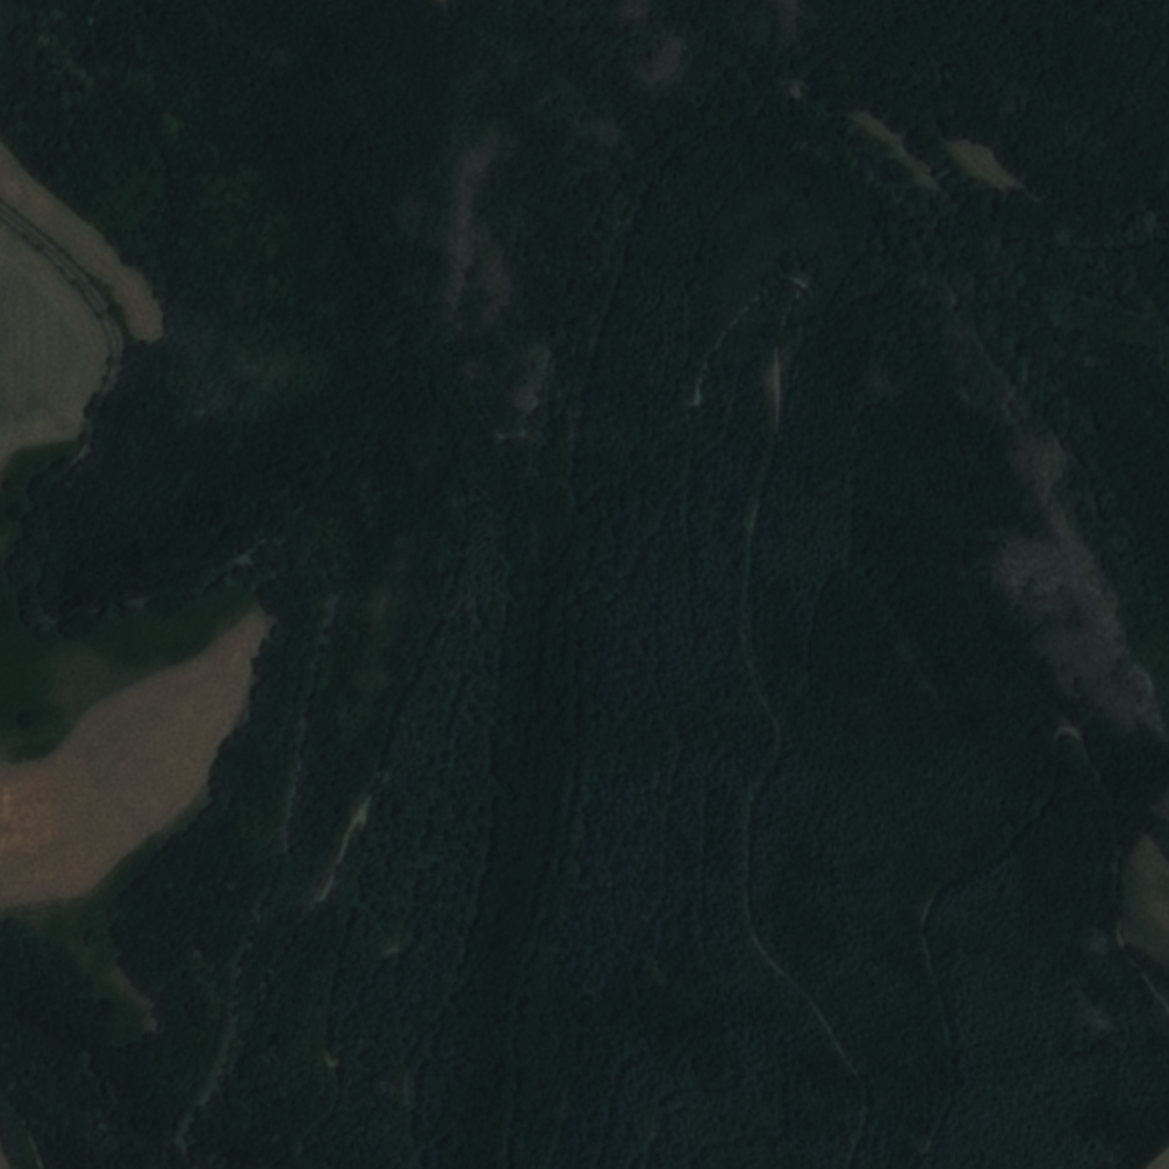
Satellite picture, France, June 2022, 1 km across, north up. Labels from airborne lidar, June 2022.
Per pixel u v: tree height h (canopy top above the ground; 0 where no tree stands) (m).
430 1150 24
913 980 9
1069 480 8
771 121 26
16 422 0
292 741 17
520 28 14
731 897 13
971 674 15
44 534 16
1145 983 9
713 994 11
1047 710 14
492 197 9
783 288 6
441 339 17
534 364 6
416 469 13
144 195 7
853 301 11
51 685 0
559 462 21
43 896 0
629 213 17
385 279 10
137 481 15
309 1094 21
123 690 0
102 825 0
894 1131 17
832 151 24
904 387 6
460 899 22
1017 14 18
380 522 11
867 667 18
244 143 11
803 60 27
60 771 0
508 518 16
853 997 10
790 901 10
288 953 14
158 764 0
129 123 12
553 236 18
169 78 12
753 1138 11
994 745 14
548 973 26
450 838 25
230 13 8
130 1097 21
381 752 7
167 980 12
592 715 17
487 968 20
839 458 11
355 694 9
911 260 15
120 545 21
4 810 0
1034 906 15
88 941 9
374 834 19
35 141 12
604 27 19
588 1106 9
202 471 7
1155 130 27
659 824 19
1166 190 30
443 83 7
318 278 12
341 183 11
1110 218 24
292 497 10
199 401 6
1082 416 17
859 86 33
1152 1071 15
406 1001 26
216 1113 23
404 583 7
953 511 13
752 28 7
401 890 24
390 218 8
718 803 10
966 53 17
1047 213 24
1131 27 18
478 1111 20
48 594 21
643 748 14
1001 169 0
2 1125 11
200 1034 11
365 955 20
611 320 21
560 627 16
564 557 19
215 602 0
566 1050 15
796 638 7
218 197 12
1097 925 8
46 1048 17
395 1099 14
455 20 8
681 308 19
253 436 13
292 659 17
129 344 7
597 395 23
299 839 17
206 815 12
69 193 11
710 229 8
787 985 15
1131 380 15
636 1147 20
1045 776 17
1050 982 12
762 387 8
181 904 18
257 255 10
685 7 21
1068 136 13
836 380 11
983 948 8
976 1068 14
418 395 18
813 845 16
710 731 11
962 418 9
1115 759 12
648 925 20
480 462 24
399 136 8
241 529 15
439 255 8
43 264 0
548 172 16
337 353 12
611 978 11
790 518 15
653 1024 17
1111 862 13
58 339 0
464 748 22
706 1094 14
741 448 19
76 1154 12
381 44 6
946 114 20
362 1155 25
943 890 9
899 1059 16
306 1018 21
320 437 10
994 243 31
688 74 12
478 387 11
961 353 8
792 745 15
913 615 13
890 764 7
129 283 0
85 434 9
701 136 20
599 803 25
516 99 22
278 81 11
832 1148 19
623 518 7
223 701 0
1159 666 8
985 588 17
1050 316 25
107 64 20
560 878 24
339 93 9
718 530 11
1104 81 17
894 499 14
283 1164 23
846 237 8
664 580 17
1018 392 9
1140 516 20
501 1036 20
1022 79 12
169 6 22
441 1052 26
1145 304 30
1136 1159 10
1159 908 0
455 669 26
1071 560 0
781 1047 10
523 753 25
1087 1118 13
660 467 14
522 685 23
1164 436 18
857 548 10
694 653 19
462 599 18
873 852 15
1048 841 18
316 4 9
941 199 23
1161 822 5
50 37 17
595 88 16
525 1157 16
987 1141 15
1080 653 0
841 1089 18
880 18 11
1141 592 16
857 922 10
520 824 23
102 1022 12
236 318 8
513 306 7
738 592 15
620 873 25
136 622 0
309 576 15
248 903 13
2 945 17
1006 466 10
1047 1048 17
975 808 6
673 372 17
